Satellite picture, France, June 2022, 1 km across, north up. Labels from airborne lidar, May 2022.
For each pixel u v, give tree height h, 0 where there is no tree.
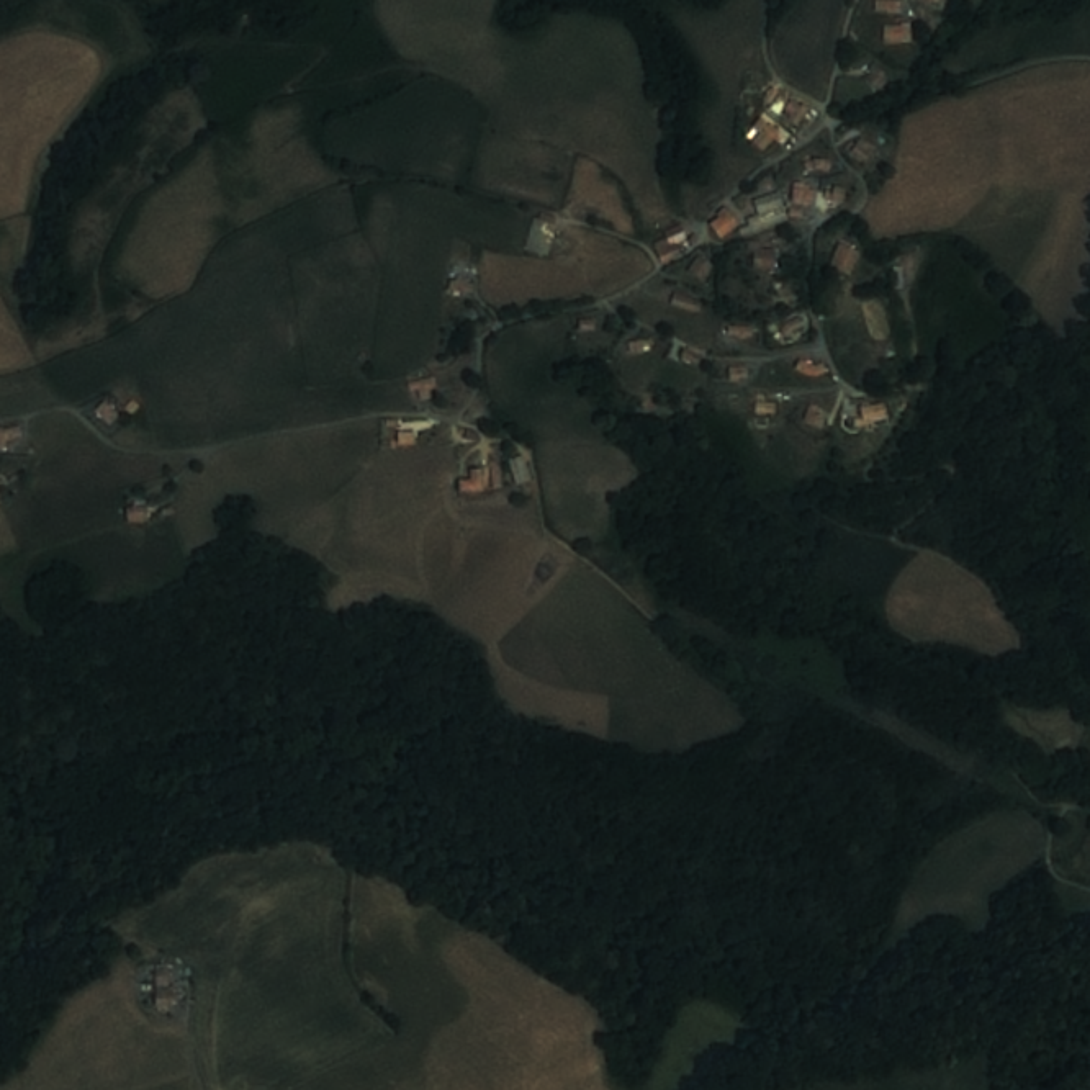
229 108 0
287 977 0
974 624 0
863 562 0
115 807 22
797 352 0
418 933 0
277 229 0
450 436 0
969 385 14
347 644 27
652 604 0
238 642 21
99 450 0
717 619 14
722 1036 0
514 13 15
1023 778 6
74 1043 0
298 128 0
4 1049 33
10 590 0
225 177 0
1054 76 0
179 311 0
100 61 0
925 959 22
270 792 16
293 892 0
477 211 0
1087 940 25
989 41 0
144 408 0
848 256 0
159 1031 0
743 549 26
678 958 20
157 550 0
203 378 0
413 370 0
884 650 20
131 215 0
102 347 0
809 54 0
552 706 0
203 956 0
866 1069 20
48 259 26
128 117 16
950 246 7
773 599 24
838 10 0
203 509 0
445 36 0
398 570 0
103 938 24
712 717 0
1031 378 28
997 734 13
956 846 0
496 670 0
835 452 9
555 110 0
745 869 17
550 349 0
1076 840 0
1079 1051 25
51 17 0
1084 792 17
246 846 16
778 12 11
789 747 15
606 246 0
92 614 14
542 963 23
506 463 6
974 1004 25
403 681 22
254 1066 0
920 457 9
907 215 0
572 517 0
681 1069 0
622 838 10
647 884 13
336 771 24
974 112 0
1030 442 21
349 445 0
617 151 0
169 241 0
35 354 0
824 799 21
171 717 24
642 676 0
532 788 21
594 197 0
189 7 9
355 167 7
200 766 27
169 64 6
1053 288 0
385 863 24
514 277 0
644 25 16
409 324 0
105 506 0
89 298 0
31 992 19
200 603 18
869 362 0
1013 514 20
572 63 0
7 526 0
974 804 10
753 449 0
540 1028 0
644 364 0
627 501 6
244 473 0
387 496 0
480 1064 0
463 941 0
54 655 20
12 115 0
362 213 0
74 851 22
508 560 0
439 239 0
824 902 13
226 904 0
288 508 0
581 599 0
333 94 0
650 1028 9
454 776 24
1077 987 21
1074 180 0
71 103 0
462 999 0
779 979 17
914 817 10
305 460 0
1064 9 9
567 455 0
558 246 0
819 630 9
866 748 12
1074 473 20
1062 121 0
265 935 0
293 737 34
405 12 0
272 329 0
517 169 0
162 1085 0
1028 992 29
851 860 16
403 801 29
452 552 0
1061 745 0
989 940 20
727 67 0
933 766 15
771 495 0
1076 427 11
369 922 0
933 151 0
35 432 0
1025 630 12
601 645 0
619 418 10
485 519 0
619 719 0
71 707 15
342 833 18
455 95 0
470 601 0
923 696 12
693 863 17
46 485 0
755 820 6
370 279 0
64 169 28
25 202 0
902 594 0
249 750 32
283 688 22
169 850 17
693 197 0
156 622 19
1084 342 8
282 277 0
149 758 19
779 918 24
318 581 8
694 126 9
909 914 0
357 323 0
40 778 24
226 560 18
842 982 16
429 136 0
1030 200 0
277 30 9
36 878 26
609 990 29
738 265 8
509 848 21
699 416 6
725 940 23
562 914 24
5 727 17
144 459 0
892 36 0
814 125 0
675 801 6
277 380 0
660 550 15
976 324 0
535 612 0
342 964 0
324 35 0
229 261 0
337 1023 0
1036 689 16
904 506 6
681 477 14
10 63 0
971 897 0
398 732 31
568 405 0
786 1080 21
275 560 8
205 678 16
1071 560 27
